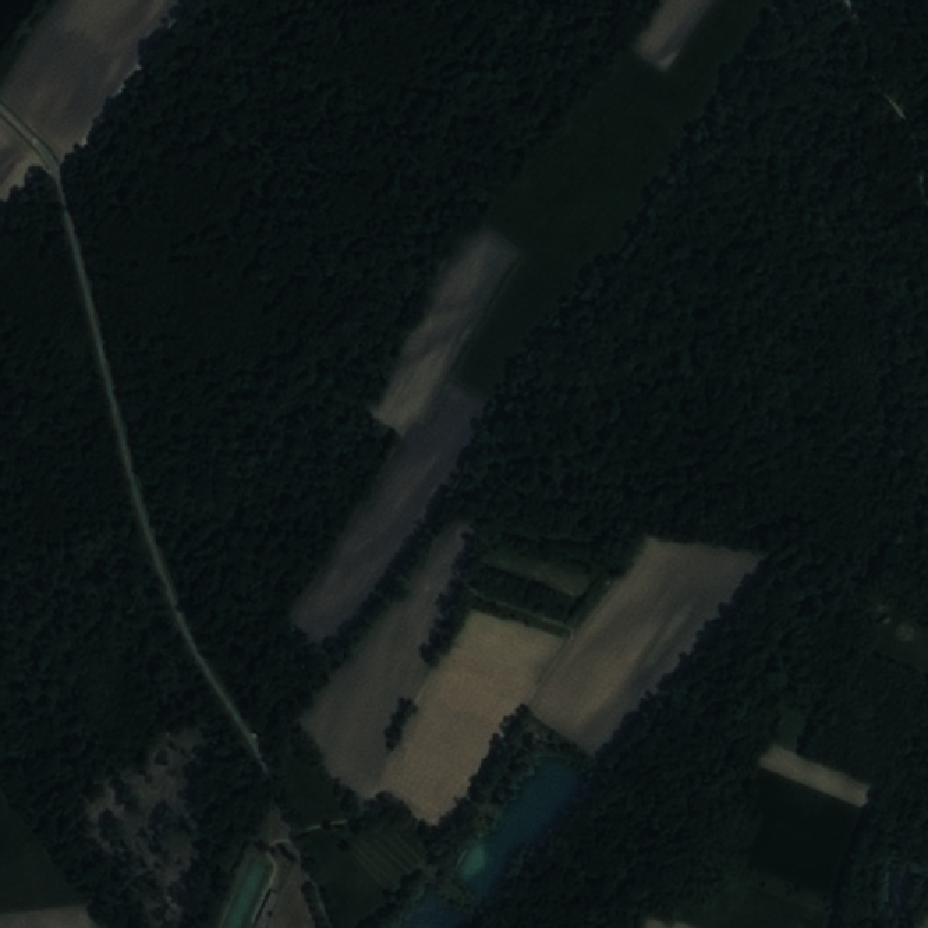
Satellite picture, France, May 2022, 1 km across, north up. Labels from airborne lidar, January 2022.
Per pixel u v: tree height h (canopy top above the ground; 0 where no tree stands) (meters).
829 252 8
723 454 22
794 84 24
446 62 10
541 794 0
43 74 0
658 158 0
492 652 0
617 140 0
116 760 11
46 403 23
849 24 22
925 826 17
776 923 0
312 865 21
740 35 0
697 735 23
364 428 21
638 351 23
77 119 0
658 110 0
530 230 0
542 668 0
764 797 0
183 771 0
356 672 0
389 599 20
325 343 24
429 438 0
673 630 0
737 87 27
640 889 20
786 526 28
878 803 18
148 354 19
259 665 25
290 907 0
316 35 23
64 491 19
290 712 21
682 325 10
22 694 30
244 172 20
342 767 0
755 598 20
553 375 22
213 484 27
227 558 29
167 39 19
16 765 19
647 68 0
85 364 15
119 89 0
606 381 23
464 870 0
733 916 0
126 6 0
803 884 0
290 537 21
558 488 13
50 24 0
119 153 19
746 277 19
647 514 23
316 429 10
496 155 25
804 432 12
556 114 22
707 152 18
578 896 15
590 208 0
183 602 8
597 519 13
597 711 0
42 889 0
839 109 23
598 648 0
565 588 0
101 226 16
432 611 0
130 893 26
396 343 21
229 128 25
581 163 0
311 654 27
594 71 29
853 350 18
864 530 9
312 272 24
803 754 11
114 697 13
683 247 19
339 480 25
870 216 23
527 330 0
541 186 0
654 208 22
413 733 0
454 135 21
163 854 26
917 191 9
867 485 11
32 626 26
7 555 30
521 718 15
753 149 23
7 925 0
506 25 27
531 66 25
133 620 26
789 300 28
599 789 30
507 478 24
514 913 17
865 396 19
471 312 0
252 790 26
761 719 21
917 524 26
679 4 0
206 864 14
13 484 22
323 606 0
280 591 22
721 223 11
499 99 8
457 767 0
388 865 0
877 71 18
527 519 22
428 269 22
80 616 24
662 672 0
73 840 23
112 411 0
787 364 10
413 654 0
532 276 0
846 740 17
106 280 22
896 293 22
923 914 15
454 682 0
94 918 21
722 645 23
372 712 0
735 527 10
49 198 17
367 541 0
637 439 21
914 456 27
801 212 23
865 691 13
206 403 10
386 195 19
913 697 15
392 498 0
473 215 24
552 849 22
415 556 23
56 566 21
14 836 0
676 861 20
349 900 0
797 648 21
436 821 0
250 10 18
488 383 0
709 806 19
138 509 0
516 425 23
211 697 20
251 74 23
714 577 0
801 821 0
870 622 23
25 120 0
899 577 27
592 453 27
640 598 0
